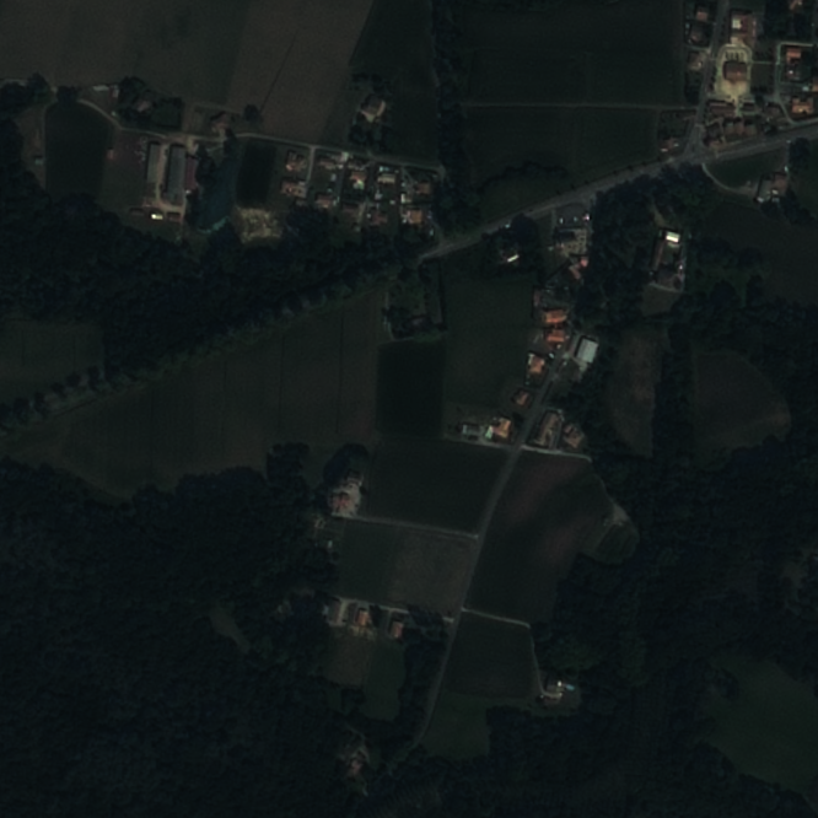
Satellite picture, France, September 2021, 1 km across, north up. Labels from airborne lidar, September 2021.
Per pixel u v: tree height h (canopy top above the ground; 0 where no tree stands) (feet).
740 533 67
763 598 22
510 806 36
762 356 48
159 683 49
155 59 0
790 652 80
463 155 64
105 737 56
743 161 0
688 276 31
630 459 32
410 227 31
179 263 92
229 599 73
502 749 37
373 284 64
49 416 52
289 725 73
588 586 56
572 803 93
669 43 0
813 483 73
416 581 0
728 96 0
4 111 63
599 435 35
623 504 52
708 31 20
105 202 0
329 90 0
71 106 43
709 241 0
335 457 0
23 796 55
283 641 88
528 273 26
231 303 97
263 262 73
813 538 56
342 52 0
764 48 0
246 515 60
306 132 0
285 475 66
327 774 30
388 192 0
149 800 57
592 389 25
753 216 0
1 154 85
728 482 70
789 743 0
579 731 85
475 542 0
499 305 0
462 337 0
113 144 0
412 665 68
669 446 73
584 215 0
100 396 72
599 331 36
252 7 0
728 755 0
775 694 0
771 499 89
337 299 79
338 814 51
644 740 94
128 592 84
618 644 111
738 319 50
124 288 93
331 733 68
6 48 0
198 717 31
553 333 0
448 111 53
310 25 0
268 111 0
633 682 91
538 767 98
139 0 0
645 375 0
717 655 64
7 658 82
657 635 88
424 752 37
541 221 0
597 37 0
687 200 87
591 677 79
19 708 38
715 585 25
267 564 91
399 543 0
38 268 81
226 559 84
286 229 0
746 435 0
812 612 62
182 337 93
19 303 68
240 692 43
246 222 0
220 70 0
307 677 53
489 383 0
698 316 69
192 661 53
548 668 32
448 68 64
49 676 52
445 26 62
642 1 0
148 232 0
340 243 0
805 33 56
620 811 61
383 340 0
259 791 46
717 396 0
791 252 0
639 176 0
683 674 71
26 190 80
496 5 25
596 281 62
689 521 69
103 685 30
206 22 0
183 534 89
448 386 0
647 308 0
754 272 75
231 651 50
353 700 23
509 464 0
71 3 0
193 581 91
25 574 78
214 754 62
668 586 79
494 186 26
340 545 0
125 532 81
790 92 0
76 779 58
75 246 87
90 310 90
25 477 74
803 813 81
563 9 0
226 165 0
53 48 0
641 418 0
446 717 0
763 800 85
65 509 75
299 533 67
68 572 63
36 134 0
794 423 25
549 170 24
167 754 75
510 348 0
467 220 78
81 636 40
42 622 79
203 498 75
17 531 70
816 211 0
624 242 74
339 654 0
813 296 0
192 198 24
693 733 54
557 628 40
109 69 0
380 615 34
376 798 69
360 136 52
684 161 0
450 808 78
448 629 19
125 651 41
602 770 100
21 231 88
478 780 63
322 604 30
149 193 0
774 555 68
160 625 71
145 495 41
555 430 0
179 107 40
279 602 47
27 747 64
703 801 32
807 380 88
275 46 0
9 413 58
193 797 57
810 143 26
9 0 0
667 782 39
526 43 0
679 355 32
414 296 54
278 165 0
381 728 35
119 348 80
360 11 0
